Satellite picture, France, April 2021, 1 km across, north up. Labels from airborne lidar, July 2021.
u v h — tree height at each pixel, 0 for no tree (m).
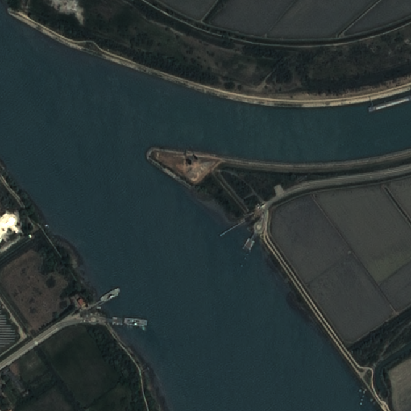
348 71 0
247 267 0
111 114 0
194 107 0
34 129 0
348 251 0
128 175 0
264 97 0
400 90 0
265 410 0
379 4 0
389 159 0
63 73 0
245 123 0
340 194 0
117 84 0
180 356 0
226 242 0
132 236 0
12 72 0
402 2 0
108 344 6
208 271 0
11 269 0
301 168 0
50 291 0
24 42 0
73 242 0
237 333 0
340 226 0
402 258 0
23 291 0
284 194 0
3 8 0
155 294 0
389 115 0
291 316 0
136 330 0
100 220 0
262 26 0
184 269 0
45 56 0
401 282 0
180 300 0
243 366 0
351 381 0
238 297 0
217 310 0
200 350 0
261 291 0
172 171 7
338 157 0
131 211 0
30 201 8
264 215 0
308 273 0
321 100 0
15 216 0
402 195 0
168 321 0
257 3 0
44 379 0
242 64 0
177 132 0
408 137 0
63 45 0
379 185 0
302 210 0
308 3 0
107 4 0
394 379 0
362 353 13
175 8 0
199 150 0
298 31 0
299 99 0
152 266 0
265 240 0
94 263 0
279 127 0
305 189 0
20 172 0
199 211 0
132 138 0
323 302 0
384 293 0
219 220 0
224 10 0
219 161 0
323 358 0
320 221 0
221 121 0
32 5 0
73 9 0
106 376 0
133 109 0
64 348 0
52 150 0
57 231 0
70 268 14
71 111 0
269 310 0
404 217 0
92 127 0
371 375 0
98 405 0
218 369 0
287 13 0
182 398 0
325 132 0
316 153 0
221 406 0
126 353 12
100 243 0
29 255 0
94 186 0
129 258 0
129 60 0
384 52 0
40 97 0
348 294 0
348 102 0
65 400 0
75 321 0
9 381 13
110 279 0
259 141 0
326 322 0
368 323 0
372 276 0
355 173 0
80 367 0
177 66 8
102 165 0
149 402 11
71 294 6
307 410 0
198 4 0
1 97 0
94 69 0
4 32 0
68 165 0
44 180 0
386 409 0
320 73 0
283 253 0
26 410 0
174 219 0
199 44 0
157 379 0
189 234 0
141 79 0
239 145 0
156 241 0
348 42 0
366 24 0
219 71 0
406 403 0
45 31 0
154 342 0
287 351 0
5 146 0
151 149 0
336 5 0
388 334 7
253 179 7
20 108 0
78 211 0
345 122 0
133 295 0
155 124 0
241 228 0
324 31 0
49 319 0
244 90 0
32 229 10
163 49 0
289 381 0
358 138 0
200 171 0
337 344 0
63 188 0
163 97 0
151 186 0
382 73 0
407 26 0
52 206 0
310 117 0
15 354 0
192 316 0
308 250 0
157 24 0
